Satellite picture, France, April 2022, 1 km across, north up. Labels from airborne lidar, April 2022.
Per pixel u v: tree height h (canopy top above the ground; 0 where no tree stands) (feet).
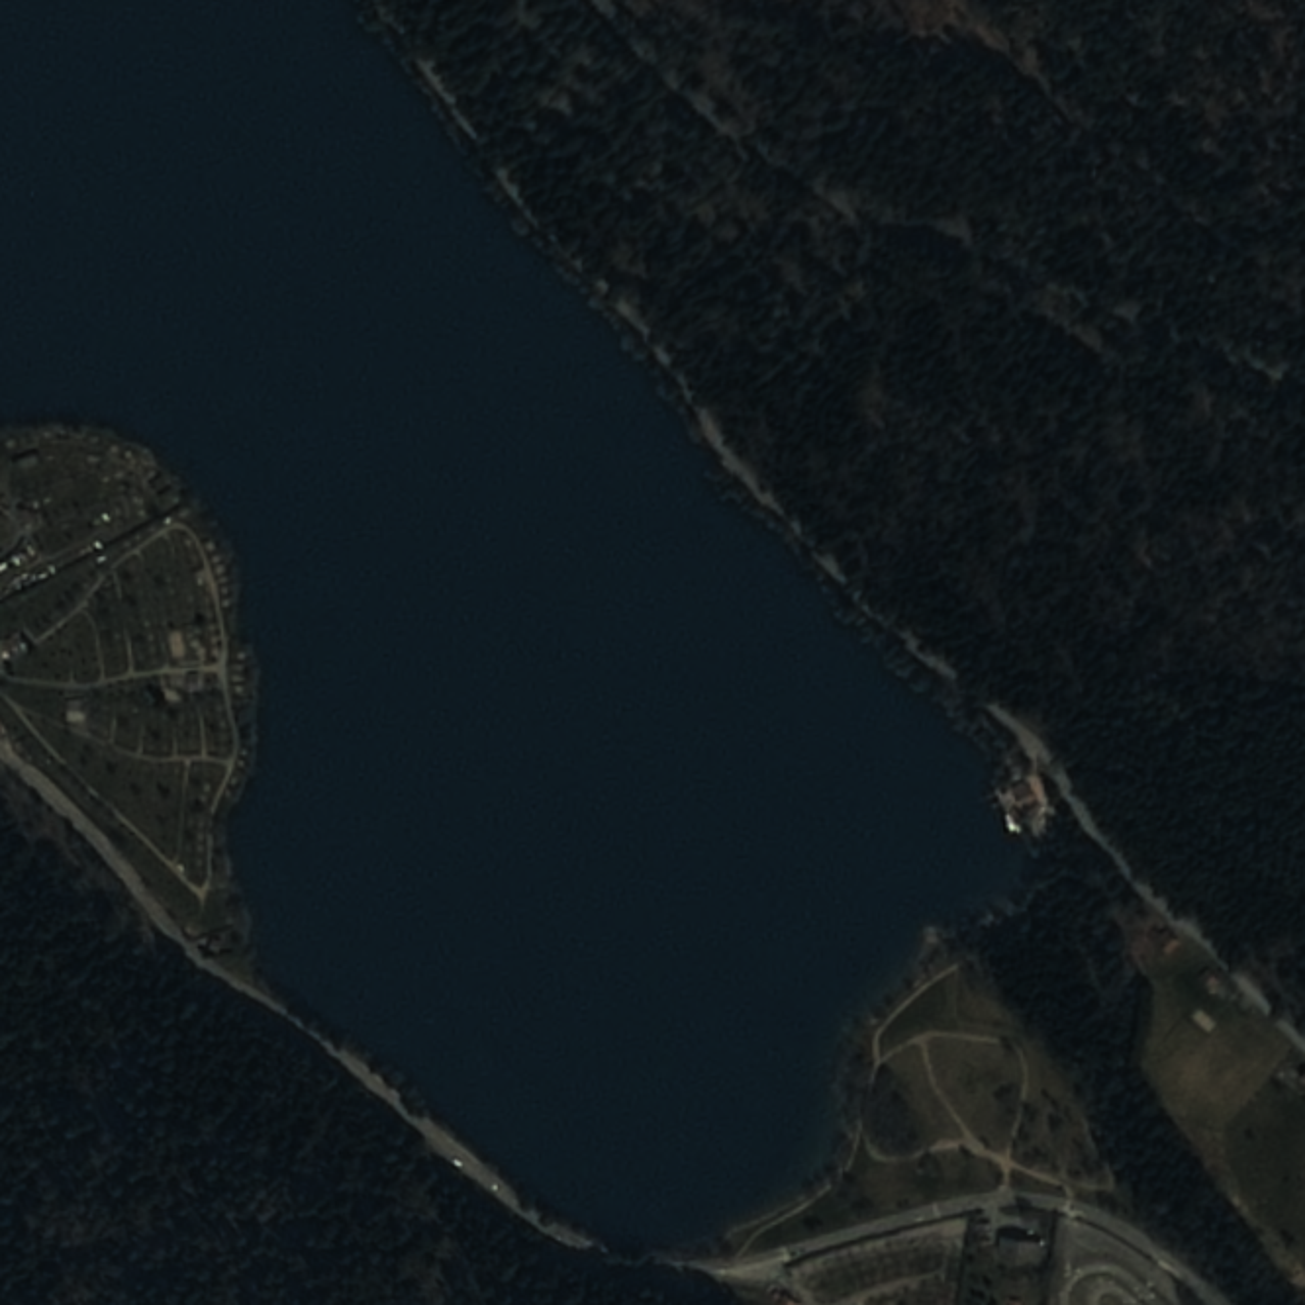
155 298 0
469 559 0
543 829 0
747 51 115
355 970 0
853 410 66
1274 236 125
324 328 0
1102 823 57
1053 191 127
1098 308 85
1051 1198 0
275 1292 102
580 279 46
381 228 0
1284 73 21
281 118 0
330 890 0
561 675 0
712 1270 0
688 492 0
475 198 0
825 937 0
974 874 0
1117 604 90
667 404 0
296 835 0
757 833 0
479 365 0
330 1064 126
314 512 0
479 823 0
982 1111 0
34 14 0
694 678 0
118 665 0
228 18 0
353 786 0
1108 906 80
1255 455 80
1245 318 106
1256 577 38
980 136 123
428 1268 24
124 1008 104
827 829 0
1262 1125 0
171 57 0
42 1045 67
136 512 0
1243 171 58
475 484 0
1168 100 114
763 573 0
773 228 26
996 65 115
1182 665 78
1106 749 87
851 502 63
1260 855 92
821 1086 0
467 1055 0
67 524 0
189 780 0
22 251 0
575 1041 0
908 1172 0
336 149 0
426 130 0
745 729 0
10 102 0
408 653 0
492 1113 0
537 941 0
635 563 0
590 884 0
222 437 0
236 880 31
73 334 0
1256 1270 78
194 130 0
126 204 0
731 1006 0
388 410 0
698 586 0
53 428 50
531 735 0
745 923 0
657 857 0
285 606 0
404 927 0
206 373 0
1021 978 63
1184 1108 0
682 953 0
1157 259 127
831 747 0
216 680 0
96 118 0
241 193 0
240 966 0
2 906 94
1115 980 84
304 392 0
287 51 0
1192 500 92
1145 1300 0
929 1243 0
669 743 0
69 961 83
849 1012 0
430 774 0
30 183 0
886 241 57
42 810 20
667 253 86
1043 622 80
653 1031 0
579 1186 0
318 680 0
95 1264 73
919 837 0
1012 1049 51
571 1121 0
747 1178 0
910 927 0
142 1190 126
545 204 95
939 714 0
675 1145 0
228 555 41
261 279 0
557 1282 95
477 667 0
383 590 0
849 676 0
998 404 87
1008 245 85
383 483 0
